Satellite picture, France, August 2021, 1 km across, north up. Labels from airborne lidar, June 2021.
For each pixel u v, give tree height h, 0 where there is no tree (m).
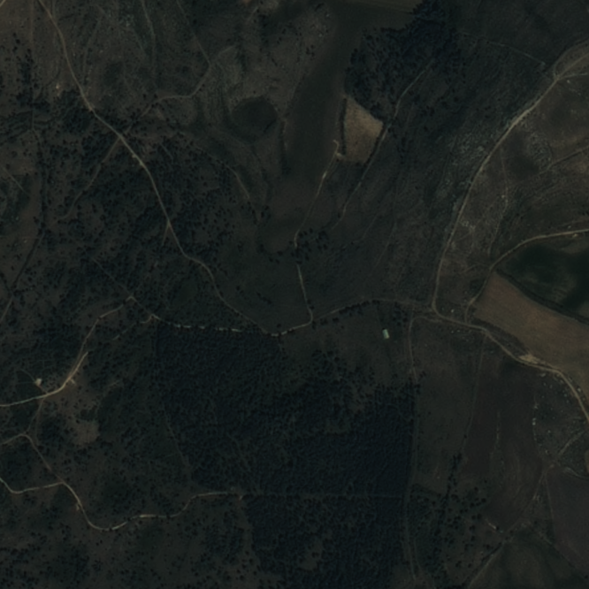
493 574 0
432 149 0
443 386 0
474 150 0
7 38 0
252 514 10
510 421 0
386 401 9
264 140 0
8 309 0
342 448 9
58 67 0
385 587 6
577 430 0
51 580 0
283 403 11
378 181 0
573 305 0
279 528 10
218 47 0
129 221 6
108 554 0
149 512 0
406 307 0
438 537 10
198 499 6
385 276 0
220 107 0
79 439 0
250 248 0
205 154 6
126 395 7
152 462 7
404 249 0
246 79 0
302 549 12
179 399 9
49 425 7
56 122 0
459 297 0
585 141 0
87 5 0
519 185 0
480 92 0
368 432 10
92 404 0
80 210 9
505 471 0
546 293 0
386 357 0
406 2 0
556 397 0
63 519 0
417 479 0
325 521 9
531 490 0
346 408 8
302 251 8
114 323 0
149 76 0
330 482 9
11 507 0
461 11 0
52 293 0
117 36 0
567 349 0
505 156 0
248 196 0
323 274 0
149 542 0
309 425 8
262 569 8
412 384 9
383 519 7
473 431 0
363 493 8
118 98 0
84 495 0
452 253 0
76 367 0
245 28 0
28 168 0
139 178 9
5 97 0
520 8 0
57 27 0
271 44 0
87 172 8
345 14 0
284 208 0
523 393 0
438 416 0
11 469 9
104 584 0
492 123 0
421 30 10
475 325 0
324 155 0
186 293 0
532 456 0
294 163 0
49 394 0
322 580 8
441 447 0
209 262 7
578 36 0
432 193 0
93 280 6
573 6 0
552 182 0
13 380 0
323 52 0
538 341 0
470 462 0
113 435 0
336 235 0
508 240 0
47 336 11
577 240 0
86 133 0
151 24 0
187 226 7
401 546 8
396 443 9
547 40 0
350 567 7
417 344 0
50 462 0
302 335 0
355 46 0
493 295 0
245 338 10
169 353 9
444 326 0
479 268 0
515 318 0
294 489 9
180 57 0
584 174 0
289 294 0
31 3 0
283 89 0
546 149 0
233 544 8
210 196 6
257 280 0
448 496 8
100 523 0
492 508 0
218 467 10
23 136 0
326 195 0
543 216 0
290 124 0
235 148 0
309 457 10
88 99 0
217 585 6
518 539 0
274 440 11
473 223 0
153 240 7
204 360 6
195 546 0
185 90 0
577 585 0
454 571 0
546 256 0
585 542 0
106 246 0
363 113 0
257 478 8
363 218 0
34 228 0
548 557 0
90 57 0
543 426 0
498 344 0
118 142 0
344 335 0
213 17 0
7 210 0
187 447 8
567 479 0
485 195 0
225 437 9
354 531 10
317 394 11
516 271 0
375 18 0
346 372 10
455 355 0
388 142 0
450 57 11
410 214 0
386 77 8
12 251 0
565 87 0
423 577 0
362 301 0
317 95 0
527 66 0
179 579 0
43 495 0
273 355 8
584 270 0
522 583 0
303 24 0
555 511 0
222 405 9
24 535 0
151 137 0
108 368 8
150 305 6
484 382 0
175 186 7
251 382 7
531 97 0
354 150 0
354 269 0
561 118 0
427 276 0
